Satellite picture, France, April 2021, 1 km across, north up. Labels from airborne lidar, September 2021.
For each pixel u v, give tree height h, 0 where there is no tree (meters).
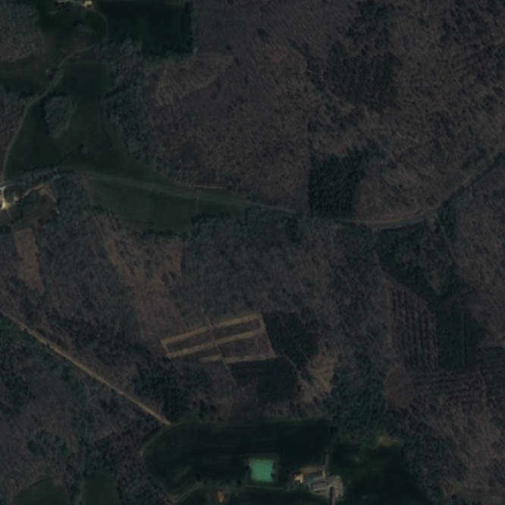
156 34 0
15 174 0
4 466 15
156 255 18
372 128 16
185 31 0
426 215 0
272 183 8
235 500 0
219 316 18
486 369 14
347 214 30
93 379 8
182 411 20
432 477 15
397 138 22
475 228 17
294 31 13
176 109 8
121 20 0
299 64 8
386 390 24
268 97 12
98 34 0
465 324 11
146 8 0
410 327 10
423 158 18
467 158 9
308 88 12
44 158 0
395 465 0
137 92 23
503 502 0
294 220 14
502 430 19
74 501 15
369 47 6
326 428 0
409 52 21
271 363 6
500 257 13
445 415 13
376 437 24
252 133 8
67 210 20
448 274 9
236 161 8
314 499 0
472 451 18
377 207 10
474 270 16
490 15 18
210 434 0
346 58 19
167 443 0
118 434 6
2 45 26
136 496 20
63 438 15
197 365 16
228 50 12
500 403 19
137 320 16
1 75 0
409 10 10
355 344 19
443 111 9
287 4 15
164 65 26
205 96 10
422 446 25
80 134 0
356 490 0
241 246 15
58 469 10
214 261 17
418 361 11
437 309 13
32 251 0
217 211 0
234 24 7
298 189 10
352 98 18
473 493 0
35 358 25
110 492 0
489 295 10
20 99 15
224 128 9
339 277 14
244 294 22
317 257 26
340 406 22
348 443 0
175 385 18
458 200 27
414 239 10
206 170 11
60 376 25
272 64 7
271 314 12
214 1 11
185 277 21
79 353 10
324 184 29
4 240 31
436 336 10
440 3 9
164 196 0
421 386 11
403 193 22
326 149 25
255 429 0
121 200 0
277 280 21
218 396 13
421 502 0
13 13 22
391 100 16
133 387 14
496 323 11
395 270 14
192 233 0
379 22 21
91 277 17
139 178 0
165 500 18
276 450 0
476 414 27
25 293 15
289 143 12
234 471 0
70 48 0
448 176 18
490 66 12
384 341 24
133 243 0
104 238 27
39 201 10
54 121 22
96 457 18
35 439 15
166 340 0
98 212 19
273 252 27
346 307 21
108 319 12
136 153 7
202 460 0
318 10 13
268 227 13
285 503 0
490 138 17
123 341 14
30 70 0
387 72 15
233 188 11
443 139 10
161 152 18
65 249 26
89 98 0
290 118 9
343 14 14
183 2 13
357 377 17
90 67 0
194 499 0
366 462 0
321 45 17
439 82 8
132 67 6
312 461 0
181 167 8
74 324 12
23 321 15
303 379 0
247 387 6
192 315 16
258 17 12
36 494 0
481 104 15
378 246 7
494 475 14
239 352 0
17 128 22
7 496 18
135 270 28
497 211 21
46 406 17
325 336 15
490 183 14
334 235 28
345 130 27
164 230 0
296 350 13
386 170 14
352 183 18
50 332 13
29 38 25
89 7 11
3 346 27
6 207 0
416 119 8
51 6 0
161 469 0
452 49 10
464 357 14
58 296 16
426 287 13
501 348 11
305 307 21
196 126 8
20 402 22
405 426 28
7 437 14
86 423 16
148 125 19
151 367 18
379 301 22
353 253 23
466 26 21
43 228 23
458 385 9
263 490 0
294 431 0
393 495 0
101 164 0
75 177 19
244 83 12
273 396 6
